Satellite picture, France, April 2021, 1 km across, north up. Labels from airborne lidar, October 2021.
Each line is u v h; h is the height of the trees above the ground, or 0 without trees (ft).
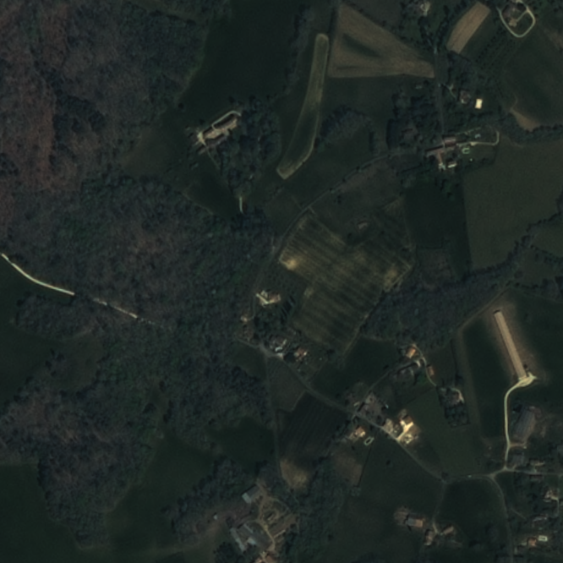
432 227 0
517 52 0
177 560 0
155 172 0
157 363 78
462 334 0
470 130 23
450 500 0
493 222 0
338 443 49
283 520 17
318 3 0
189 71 73
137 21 73
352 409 0
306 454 0
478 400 0
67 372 20
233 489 46
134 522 0
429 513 0
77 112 90
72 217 59
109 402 73
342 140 64
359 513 0
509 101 0
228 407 73
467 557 0
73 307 37
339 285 0
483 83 47
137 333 64
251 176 52
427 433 0
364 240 0
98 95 52
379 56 0
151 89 74
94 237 63
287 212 0
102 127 85
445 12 0
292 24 0
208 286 53
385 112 0
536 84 0
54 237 55
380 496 0
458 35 0
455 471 0
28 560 0
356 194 0
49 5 45
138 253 56
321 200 0
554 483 0
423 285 31
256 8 0
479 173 0
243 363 0
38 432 76
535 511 40
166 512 47
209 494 51
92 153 66
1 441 54
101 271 44
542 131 37
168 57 81
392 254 0
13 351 0
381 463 0
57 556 0
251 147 77
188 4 70
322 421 0
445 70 0
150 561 0
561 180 0
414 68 0
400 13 0
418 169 23
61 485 49
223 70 0
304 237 0
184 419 76
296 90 0
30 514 0
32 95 24
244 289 39
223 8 70
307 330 0
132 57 77
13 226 37
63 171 62
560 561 0
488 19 0
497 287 59
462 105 54
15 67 19
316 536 38
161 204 75
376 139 61
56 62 24
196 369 79
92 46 80
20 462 43
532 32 0
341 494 77
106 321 55
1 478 0
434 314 77
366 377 0
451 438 0
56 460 77
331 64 0
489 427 0
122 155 69
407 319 77
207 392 59
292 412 0
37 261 44
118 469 62
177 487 0
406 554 0
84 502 68
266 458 0
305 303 0
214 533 0
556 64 0
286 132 0
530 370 0
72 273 45
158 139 0
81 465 47
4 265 0
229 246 60
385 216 0
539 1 34
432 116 39
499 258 0
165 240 63
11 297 0
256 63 0
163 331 69
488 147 0
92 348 0
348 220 0
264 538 0
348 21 0
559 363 0
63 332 41
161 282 63
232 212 0
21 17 21
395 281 0
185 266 69
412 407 0
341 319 0
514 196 0
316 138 0
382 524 0
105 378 53
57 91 45
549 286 65
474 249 0
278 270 30
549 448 0
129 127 74
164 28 79
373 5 0
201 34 74
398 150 38
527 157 0
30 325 32
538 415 0
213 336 47
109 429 81
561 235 0
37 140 29
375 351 0
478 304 81
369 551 0
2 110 27
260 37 0
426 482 0
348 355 0
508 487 0
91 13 57
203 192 0
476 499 0
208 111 0
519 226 0
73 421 53
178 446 0
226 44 0
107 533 29
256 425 0
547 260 33
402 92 31
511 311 0
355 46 0
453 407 21
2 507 0
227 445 0
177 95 75
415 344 53
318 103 0
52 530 0
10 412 63
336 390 0
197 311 56
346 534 0
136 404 59
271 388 0
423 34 25
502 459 0
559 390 0
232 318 34
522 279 0
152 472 0
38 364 0
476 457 0
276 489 71
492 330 0
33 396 64
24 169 31
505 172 0
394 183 0
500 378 0
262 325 51
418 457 0
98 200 58
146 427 79
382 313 39
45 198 41
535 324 0
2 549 0
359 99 0
